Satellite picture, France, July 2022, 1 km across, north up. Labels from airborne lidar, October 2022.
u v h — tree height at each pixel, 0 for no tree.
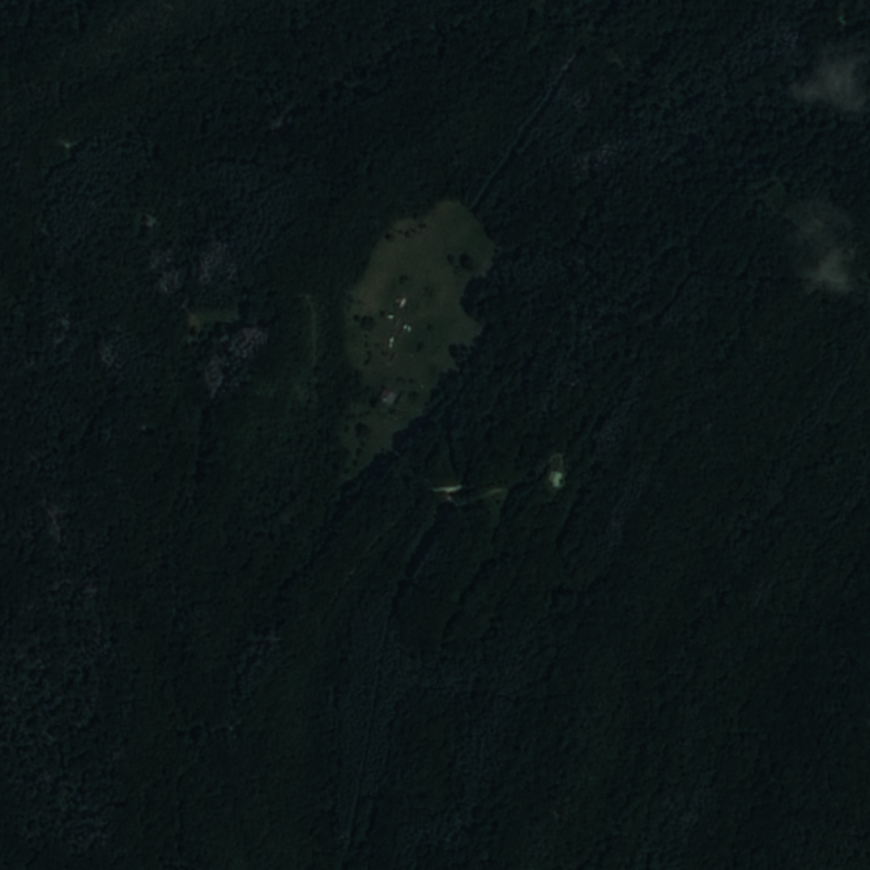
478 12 23
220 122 29
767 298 32
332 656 16
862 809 24
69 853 21
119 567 26
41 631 23
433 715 25
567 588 9
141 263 13
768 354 11
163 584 20
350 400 23
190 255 9
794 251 31
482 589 24
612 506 25
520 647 23
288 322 13
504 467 14
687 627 30
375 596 26
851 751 21
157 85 14
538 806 17
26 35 36
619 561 24
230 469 16
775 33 26
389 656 32
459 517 25
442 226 0
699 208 31
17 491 26
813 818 17
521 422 18
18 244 20
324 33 32
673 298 21
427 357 0
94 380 14
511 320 25
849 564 27
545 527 13
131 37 7
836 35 31
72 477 21
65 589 25
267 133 27
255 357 28
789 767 26
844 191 27
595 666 8
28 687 21
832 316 19
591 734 14
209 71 12
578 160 28
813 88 36
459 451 23
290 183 27
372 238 12
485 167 24
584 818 16
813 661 26
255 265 31
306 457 16
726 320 20
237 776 23
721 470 16
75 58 9
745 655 18
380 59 8
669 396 17
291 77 27
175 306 10
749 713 24
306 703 10
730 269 25
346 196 29
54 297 30
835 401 26
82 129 13
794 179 32
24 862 21
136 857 33
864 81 40
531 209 43
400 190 10
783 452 23
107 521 26
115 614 28
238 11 14
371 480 21
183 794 32
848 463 18
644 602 11
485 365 18
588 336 21
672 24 29
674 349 19
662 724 26
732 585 28
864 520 26
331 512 19
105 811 32
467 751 28
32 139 17
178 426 18
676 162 32
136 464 27
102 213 30
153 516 25
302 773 15
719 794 21
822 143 38
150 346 20
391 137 27
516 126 25
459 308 0
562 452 10
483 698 26
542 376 24
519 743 27
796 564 18
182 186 22
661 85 25
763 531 23
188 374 14
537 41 23
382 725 29
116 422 28
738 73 27
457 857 27
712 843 16
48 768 31
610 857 28
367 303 0
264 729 16
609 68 15
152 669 21
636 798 29
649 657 22
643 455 19
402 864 27
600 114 27
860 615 29
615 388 8
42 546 26
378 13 24
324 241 22
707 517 15
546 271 37
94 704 32
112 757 28
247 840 15
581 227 28
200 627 20
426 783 17
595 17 24
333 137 26
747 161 19
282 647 18
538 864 7
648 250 29
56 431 21
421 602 28
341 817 27
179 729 18
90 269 19
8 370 25
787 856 14
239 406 18
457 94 21
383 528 9
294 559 15
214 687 17
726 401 15
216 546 17
